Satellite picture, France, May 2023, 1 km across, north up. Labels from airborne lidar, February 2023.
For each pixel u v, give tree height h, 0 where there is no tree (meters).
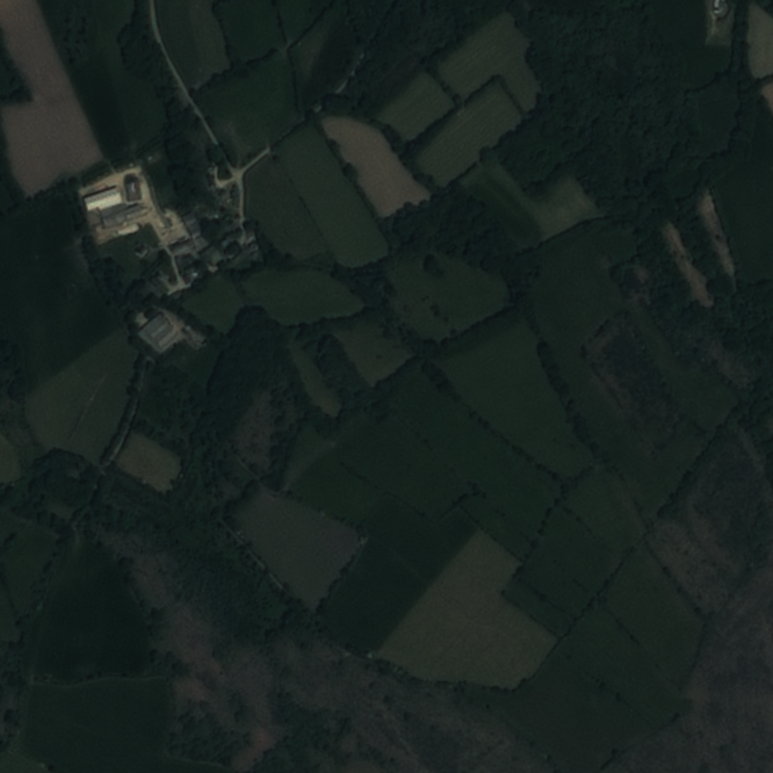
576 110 9
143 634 0
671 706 0
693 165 15
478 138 0
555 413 0
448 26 7
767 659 0
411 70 0
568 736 0
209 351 0
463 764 0
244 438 0
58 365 0
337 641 8
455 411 0
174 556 5
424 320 0
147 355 10
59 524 14
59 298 0
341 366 14
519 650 0
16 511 13
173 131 14
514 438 0
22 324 0
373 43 10
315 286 0
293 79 6
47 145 0
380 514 0
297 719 6
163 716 0
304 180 0
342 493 0
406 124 0
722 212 6
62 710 0
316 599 0
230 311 0
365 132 0
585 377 0
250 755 0
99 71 0
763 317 9
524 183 10
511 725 0
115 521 8
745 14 7
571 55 7
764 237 0
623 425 0
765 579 0
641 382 0
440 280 0
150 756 0
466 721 0
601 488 0
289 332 12
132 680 0
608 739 0
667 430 0
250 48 0
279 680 0
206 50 0
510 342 0
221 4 7
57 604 0
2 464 0
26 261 0
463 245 7
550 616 0
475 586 0
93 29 0
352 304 0
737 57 8
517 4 16
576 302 0
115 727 0
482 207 15
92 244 12
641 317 0
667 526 0
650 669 0
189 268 6
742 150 16
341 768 0
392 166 0
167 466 0
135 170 0
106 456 8
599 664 0
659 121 8
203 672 0
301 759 7
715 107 0
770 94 0
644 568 0
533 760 0
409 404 0
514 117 0
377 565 0
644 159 7
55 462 18
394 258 9
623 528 0
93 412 0
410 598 0
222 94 0
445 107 0
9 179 13
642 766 0
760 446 9
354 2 19
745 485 0
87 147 0
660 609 0
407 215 18
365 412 7
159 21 0
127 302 15
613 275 11
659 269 8
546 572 0
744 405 8
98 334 0
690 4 0
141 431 14
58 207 0
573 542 0
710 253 9
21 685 7
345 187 0
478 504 0
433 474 0
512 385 0
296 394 8
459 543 0
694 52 0
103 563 0
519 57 0
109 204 0
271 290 0
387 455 0
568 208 0
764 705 0
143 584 0
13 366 14
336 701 0
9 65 11
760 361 12
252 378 16
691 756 0
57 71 0
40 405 0
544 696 0
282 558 0
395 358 0
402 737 0
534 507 0
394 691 0
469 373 0
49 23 0
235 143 0
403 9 14
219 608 7
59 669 0
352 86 8
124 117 0
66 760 0
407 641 0
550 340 0
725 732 0
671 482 0
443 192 10
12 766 0
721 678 0
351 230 0
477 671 0
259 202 0
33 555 0
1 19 0
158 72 5
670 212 16
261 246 9
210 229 23
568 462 0
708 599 0
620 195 9
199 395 15
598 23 13
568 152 8
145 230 0
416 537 0
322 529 0
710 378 0
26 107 0
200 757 9
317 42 0
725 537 0
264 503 0
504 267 19
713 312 8
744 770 0
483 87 7
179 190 16
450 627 0
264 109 0
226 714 0
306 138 0
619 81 0
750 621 0
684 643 0
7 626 0
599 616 0
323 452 0
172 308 11
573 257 0
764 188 0
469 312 0
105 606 0
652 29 11
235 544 8
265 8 0
